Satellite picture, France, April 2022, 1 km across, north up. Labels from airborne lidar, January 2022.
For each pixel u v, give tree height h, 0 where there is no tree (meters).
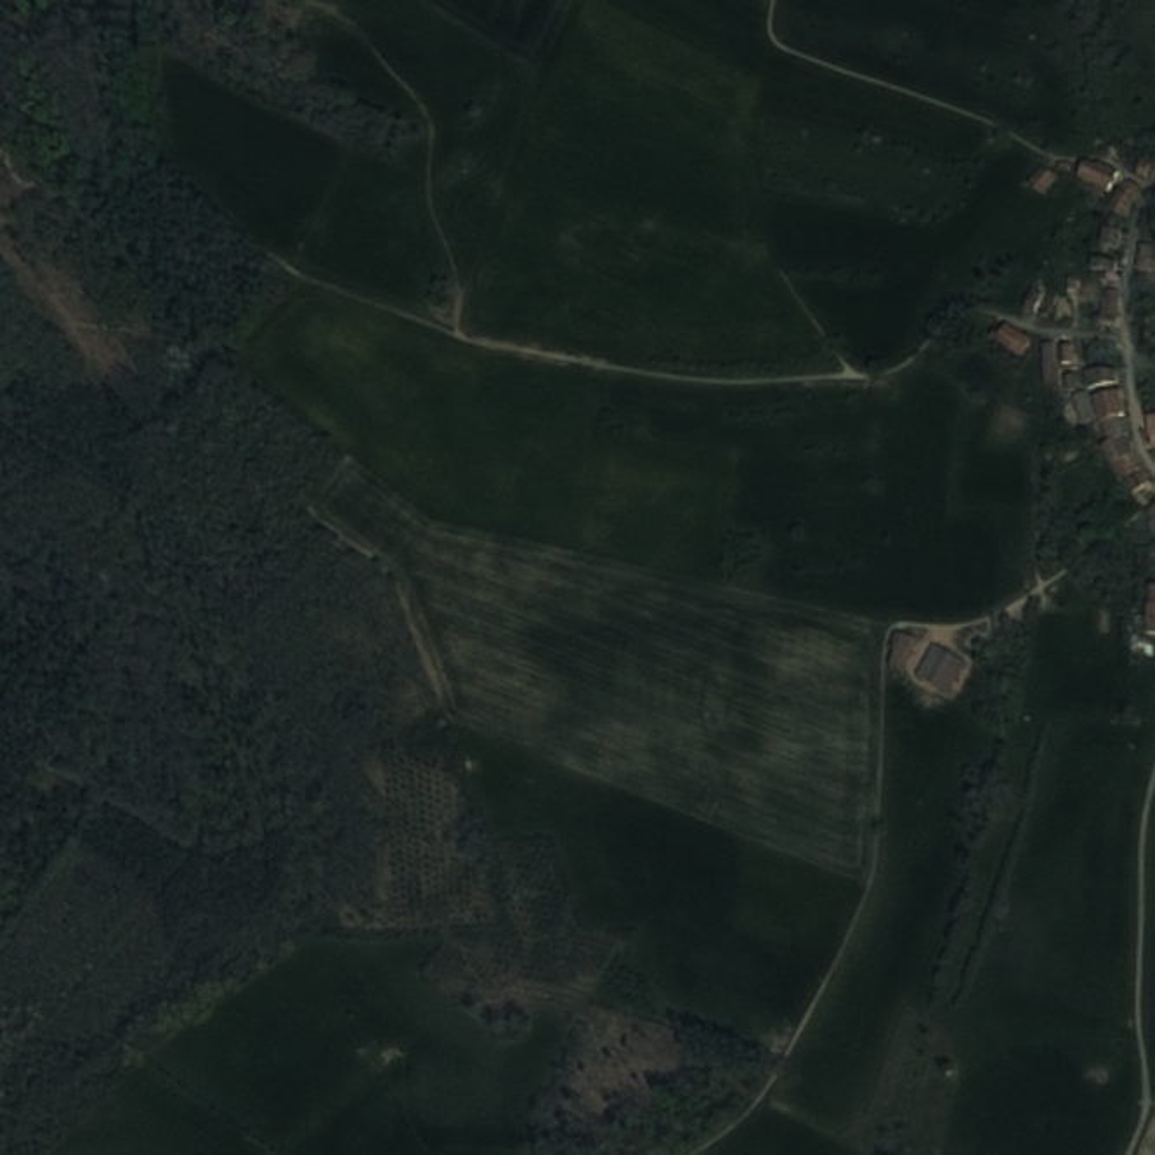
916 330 0
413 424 0
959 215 0
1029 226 0
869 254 0
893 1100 0
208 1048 0
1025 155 0
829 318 0
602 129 0
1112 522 8
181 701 33
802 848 0
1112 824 0
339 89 18
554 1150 24
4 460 13
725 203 0
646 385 0
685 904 0
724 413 0
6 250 0
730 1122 26
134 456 19
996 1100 0
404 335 0
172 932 17
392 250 0
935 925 0
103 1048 20
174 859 17
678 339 0
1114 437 0
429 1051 0
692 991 0
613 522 0
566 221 0
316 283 0
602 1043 0
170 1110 0
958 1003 9
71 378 28
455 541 0
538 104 0
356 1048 0
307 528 13
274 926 20
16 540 32
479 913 0
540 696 0
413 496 0
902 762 0
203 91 0
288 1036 0
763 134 0
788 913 0
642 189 0
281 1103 0
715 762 0
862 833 0
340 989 0
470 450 0
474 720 0
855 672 0
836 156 0
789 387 0
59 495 17
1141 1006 0
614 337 0
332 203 0
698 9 0
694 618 0
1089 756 0
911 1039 0
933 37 0
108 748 27
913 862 0
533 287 0
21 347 28
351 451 0
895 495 0
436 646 0
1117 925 0
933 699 0
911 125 0
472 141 0
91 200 23
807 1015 0
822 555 0
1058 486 14
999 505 0
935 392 0
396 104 0
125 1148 0
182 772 31
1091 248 6
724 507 0
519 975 0
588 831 0
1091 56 10
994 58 0
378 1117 0
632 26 0
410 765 0
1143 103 7
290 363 0
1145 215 8
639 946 0
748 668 0
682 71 0
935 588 0
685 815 0
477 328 0
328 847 17
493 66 0
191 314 30
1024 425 0
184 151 0
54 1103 24
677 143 0
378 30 0
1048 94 0
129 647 28
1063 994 0
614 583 0
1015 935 0
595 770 0
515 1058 0
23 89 33
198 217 33
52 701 30
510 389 0
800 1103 0
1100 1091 0
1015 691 11
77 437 16
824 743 0
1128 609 0
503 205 0
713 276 0
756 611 0
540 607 0
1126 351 0
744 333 0
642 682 0
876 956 0
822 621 0
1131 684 0
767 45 0
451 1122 0
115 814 18
